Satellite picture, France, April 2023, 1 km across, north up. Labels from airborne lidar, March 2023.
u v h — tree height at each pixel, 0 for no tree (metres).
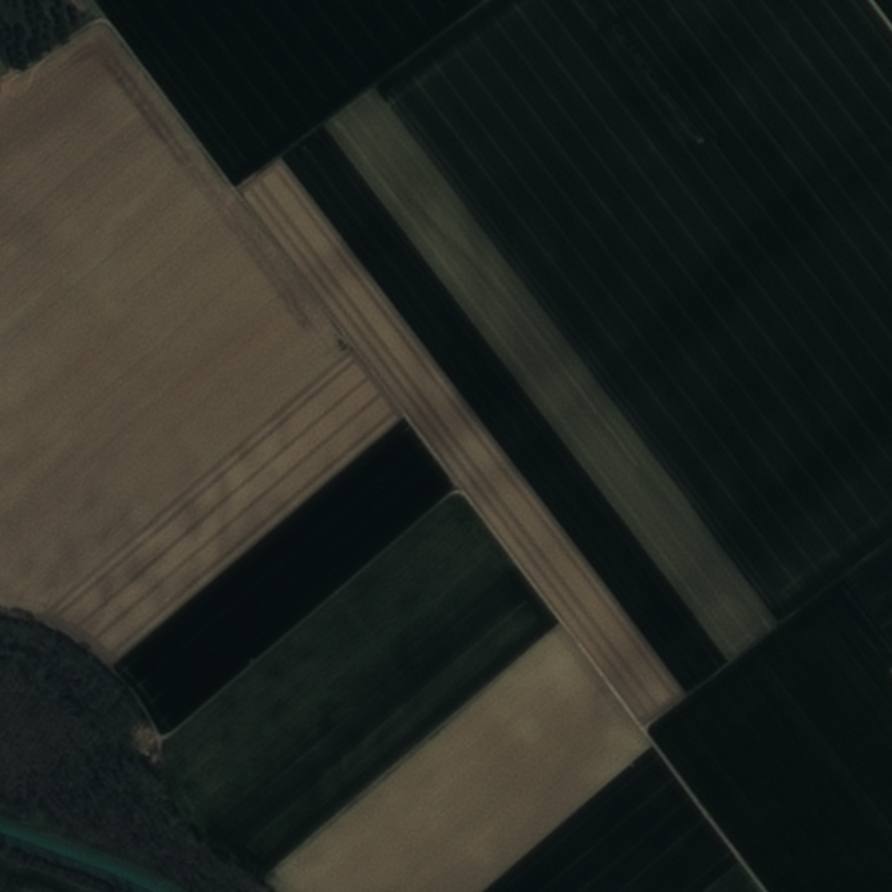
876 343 0
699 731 0
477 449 0
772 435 0
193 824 0
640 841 0
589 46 0
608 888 0
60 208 0
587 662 0
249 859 0
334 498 0
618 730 0
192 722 0
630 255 0
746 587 0
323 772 0
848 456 0
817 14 0
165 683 0
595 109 0
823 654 0
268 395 0
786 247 0
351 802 0
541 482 0
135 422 0
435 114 0
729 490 0
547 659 0
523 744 0
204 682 0
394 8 0
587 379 0
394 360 0
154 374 0
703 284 0
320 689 0
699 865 0
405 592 0
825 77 0
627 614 0
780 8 0
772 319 0
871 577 0
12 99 0
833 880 0
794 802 0
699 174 0
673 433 0
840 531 0
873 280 0
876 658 0
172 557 0
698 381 0
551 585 0
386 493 0
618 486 0
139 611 0
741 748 0
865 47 0
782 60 0
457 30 0
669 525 0
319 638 0
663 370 0
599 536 0
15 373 0
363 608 0
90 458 0
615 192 0
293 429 0
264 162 0
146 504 0
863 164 0
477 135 0
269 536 0
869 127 0
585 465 0
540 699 0
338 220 0
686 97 0
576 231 0
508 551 0
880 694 0
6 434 0
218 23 0
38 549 0
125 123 0
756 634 0
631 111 0
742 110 0
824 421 0
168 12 0
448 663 0
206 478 0
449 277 0
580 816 0
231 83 0
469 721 0
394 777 0
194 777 0
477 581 0
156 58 0
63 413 0
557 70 0
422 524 0
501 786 0
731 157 0
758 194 0
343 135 0
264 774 0
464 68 0
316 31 0
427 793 0
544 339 0
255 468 0
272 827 0
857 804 0
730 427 0
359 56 0
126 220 0
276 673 0
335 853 0
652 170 0
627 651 0
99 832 23
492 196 0
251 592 0
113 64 0
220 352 0
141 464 0
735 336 0
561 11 0
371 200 0
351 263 0
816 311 0
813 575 0
